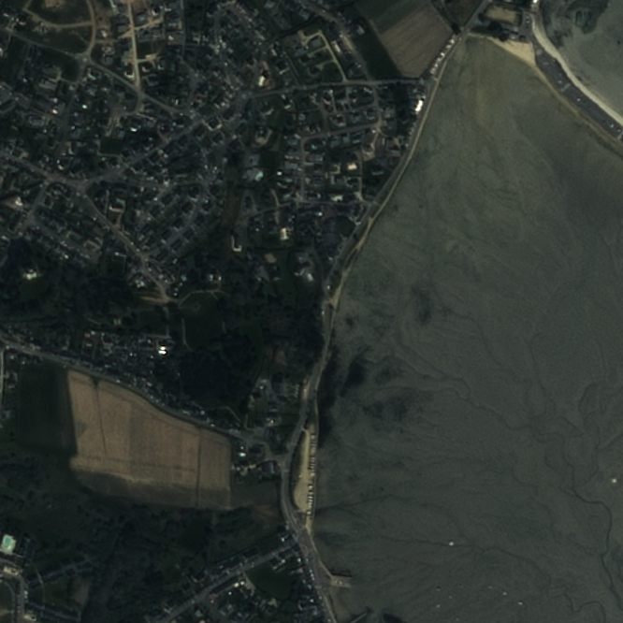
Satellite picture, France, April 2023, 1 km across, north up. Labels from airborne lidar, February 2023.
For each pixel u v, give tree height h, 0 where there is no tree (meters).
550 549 0
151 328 8
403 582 0
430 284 0
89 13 0
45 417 0
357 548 0
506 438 0
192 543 0
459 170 0
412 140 0
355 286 0
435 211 0
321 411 0
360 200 0
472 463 0
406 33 0
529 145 0
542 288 0
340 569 0
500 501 0
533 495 0
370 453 0
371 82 0
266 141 0
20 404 0
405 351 0
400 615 0
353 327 0
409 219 0
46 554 8
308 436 0
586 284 0
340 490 0
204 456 0
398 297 0
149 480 0
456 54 0
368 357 0
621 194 0
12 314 15
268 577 0
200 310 0
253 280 7
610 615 0
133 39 0
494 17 0
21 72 0
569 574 0
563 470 0
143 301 0
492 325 0
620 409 0
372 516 0
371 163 0
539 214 0
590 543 0
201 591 6
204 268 21
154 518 8
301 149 0
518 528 0
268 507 0
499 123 0
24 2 0
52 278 17
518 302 0
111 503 0
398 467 0
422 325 0
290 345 7
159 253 0
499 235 0
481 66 0
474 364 0
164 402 7
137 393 0
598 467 0
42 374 0
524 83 0
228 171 0
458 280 0
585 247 0
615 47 0
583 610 0
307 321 12
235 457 0
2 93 0
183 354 12
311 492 0
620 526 0
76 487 0
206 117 0
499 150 0
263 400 0
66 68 0
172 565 0
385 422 0
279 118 0
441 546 0
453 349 0
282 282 0
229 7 0
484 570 0
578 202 0
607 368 0
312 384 0
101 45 0
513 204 0
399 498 0
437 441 0
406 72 0
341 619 0
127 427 0
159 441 0
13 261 16
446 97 0
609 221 0
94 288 17
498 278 0
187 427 0
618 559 0
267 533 0
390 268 0
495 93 0
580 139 0
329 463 0
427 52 0
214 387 22
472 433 0
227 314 16
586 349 0
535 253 0
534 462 0
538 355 0
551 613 0
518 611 0
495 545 0
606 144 0
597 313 0
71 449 0
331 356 0
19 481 8
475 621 0
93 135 0
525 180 0
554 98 0
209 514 11
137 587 9
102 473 0
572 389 0
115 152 0
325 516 0
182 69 0
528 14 0
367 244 0
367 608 0
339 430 0
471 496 0
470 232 0
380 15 0
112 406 0
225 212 0
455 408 0
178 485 0
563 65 0
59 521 0
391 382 0
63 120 0
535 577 0
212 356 11
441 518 0
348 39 0
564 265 0
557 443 0
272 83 0
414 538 0
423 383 0
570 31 0
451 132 0
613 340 0
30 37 0
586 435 0
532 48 0
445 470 0
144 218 0
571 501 0
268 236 0
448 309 0
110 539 9
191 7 8
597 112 0
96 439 0
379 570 0
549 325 0
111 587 23
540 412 0
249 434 0
